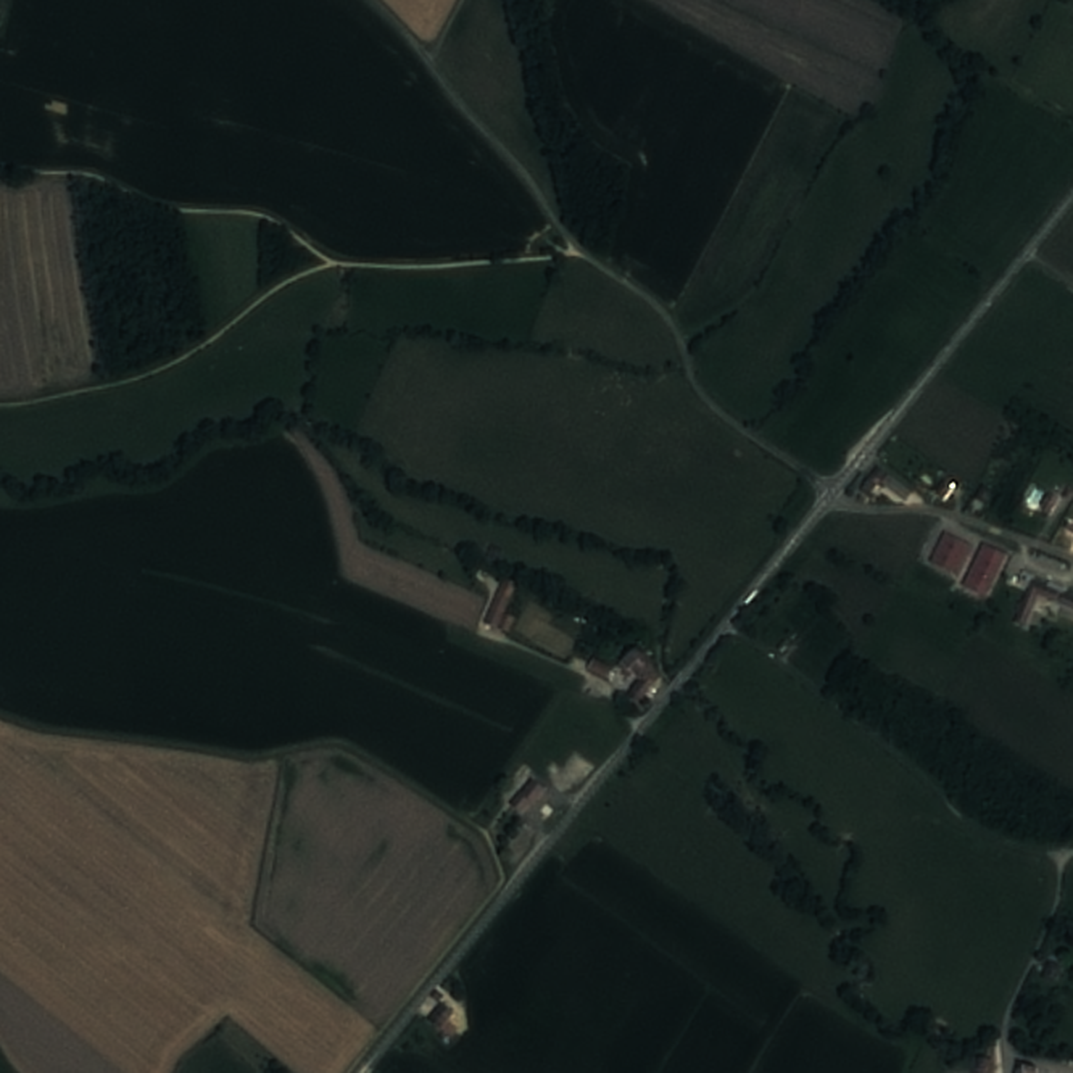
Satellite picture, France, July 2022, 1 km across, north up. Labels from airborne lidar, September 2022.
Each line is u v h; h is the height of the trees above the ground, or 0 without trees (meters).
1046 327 0
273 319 0
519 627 0
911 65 0
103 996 0
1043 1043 17
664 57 0
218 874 0
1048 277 0
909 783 0
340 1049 0
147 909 0
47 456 0
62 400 0
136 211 18
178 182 0
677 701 13
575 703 0
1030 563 0
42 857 0
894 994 0
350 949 0
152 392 0
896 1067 0
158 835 0
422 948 0
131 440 0
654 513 0
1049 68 0
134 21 0
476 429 0
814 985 0
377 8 0
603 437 0
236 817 0
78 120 0
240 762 0
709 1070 0
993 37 0
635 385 0
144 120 0
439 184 0
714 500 0
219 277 0
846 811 0
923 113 0
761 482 0
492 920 0
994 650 0
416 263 0
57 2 0
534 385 0
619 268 0
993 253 0
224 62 0
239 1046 0
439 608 0
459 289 0
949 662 0
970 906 0
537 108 27
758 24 0
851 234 0
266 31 0
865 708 10
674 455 0
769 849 33
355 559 0
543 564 0
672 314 0
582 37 0
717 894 0
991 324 0
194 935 0
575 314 0
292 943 0
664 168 0
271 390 0
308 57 0
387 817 0
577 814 0
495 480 0
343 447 17
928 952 0
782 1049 0
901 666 0
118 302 16
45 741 0
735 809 36
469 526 0
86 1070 0
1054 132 0
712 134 0
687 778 0
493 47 0
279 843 0
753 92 0
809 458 0
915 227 26
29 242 0
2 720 0
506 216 0
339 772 0
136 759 0
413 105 0
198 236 0
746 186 0
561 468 0
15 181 21
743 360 0
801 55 0
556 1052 0
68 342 0
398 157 0
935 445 0
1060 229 0
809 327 0
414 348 0
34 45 0
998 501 8
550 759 0
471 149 0
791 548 0
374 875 0
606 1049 0
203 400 0
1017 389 0
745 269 0
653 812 0
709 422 0
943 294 0
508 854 11
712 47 0
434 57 0
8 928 0
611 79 0
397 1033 0
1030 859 0
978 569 0
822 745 0
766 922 0
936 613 0
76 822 0
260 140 0
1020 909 0
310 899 0
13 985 0
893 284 0
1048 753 0
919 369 0
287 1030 0
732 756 0
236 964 0
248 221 0
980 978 0
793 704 0
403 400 0
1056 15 0
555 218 0
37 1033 0
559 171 19
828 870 0
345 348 0
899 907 0
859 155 0
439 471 0
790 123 0
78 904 0
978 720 0
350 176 0
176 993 0
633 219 0
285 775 0
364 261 0
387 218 0
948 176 18
